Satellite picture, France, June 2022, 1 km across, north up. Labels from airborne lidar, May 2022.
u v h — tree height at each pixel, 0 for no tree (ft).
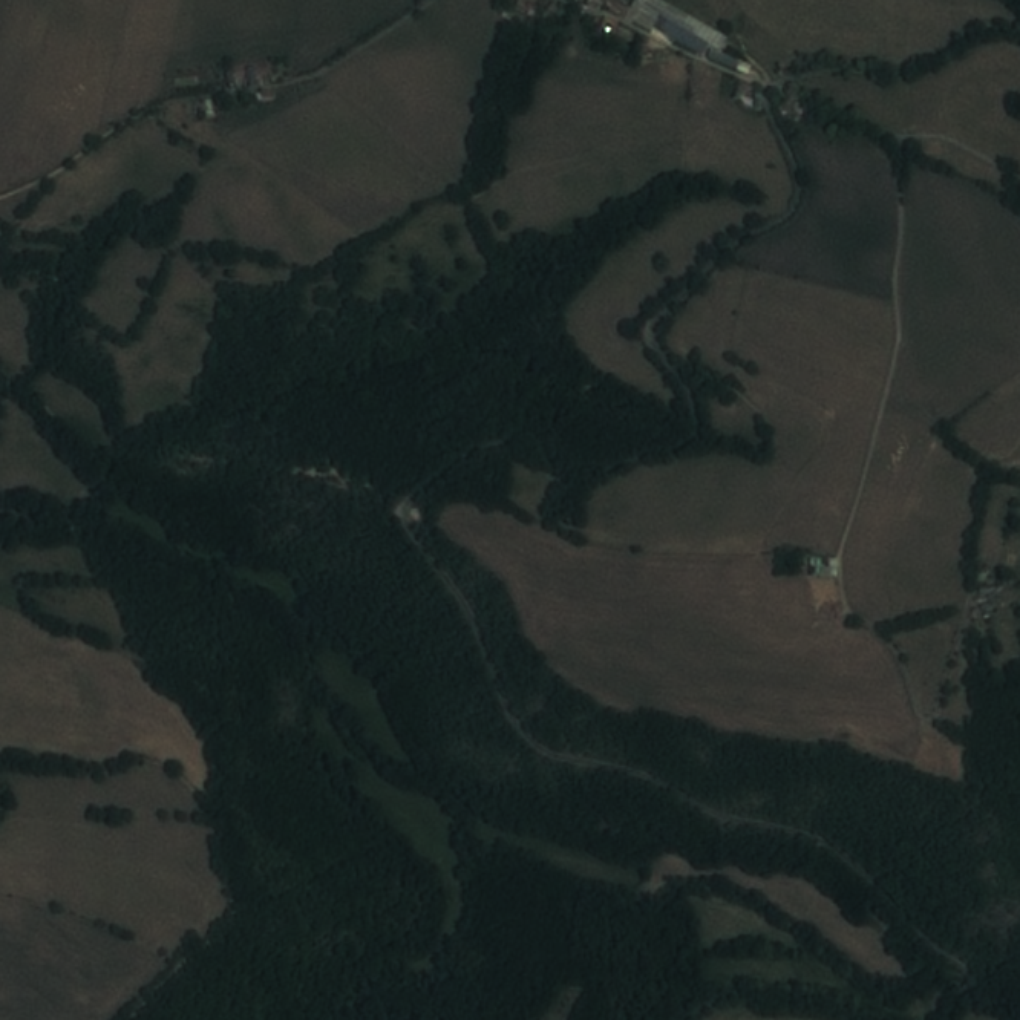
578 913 61
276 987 52
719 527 0
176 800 0
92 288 50
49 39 0
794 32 0
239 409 32
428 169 0
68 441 114
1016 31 35
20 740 0
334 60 26
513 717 29
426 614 28
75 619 0
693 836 42
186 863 0
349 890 47
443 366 73
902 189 36
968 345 0
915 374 0
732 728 0
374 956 66
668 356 33
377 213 0
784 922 59
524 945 33
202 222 0
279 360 58
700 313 0
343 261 65
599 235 67
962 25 0
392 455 35
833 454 0
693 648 0
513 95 48
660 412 51
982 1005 93
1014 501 36
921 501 0
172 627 46
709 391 38
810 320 0
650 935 67
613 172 0
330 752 25
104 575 37
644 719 29
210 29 0
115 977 0
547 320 24
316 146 0
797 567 22
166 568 49
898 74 38
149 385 0
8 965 0
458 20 0
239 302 46
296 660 40
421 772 71
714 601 0
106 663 0
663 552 0
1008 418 0
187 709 45
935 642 0
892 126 0
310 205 0
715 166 0
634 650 0
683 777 36
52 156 0
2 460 0
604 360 0
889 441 0
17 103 0
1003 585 68
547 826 70
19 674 0
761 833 28
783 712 0
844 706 0
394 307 62
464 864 52
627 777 35
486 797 43
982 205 0
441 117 0
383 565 49
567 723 24
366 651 70
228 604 51
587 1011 33
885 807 27
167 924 0
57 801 0
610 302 0
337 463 32
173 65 0
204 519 52
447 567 42
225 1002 58
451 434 57
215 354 53
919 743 0
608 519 0
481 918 47
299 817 84
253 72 0
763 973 0
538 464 58
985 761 47
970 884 37
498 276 69
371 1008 93
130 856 0
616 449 43
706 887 51
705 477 0
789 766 52
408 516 0
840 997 41
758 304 0
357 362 56
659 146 0
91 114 0
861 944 0
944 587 0
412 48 0
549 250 74
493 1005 31
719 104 0
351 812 47
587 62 0
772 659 0
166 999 50
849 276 0
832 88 0
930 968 34
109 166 0
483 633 35
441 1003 86
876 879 33
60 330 22
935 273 0
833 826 36
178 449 22
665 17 0
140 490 46
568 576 0
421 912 36
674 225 0
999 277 0
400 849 79
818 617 0
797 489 0
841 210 0
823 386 0
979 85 0
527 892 44
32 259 55
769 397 0
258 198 0
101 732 0
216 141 0
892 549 0
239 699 43
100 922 25
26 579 58
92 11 0
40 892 0
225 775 55
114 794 0
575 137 0
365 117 0
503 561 0
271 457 37
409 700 25
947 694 34
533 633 0
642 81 0
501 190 0
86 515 81
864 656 0
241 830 44
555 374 65
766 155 0
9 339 0
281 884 52
